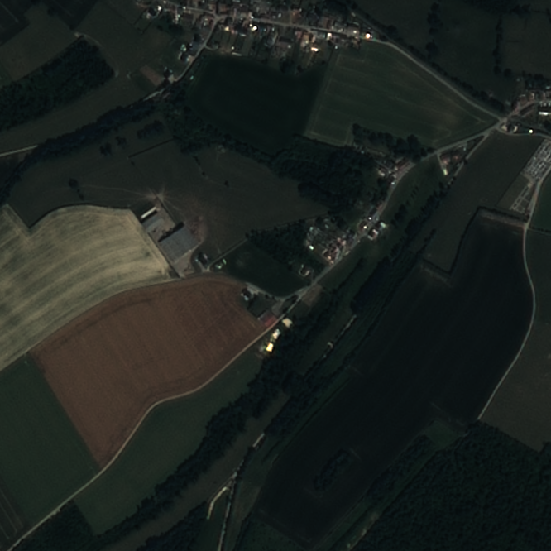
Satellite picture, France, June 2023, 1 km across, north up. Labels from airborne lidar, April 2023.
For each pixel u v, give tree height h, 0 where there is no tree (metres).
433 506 6
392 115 0
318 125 0
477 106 0
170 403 0
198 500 0
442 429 0
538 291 0
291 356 14
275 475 0
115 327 0
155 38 0
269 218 0
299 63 0
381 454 0
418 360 0
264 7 0
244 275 0
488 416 0
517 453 8
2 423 0
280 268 0
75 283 0
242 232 0
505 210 0
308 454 0
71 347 0
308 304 0
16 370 0
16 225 0
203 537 0
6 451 0
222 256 0
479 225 0
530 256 0
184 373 0
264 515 0
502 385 0
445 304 0
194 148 18
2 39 0
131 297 0
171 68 0
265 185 0
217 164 0
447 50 0
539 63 0
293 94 0
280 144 0
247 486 0
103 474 0
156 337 0
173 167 0
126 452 0
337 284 0
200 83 0
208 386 0
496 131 0
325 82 0
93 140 18
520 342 0
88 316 0
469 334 0
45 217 0
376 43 0
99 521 0
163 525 0
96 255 0
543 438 0
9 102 13
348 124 0
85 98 0
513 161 0
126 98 0
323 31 0
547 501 14
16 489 0
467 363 0
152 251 0
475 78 0
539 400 0
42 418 0
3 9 0
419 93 0
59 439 0
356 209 0
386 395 0
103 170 0
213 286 0
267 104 0
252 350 0
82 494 0
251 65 0
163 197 0
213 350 0
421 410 0
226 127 0
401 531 12
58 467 0
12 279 0
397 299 0
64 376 0
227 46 0
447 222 0
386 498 7
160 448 0
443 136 0
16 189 0
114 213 0
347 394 0
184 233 0
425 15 0
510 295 0
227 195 0
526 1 0
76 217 0
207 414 0
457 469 13
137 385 0
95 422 0
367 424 0
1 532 0
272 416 0
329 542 0
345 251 0
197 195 0
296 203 0
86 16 0
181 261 0
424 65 0
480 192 0
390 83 0
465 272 0
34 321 0
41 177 0
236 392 0
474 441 11
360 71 0
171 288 0
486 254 0
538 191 0
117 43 0
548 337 0
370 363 0
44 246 0
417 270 0
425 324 0
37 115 12
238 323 0
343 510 0
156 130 18
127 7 0
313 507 0
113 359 0
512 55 0
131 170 0
